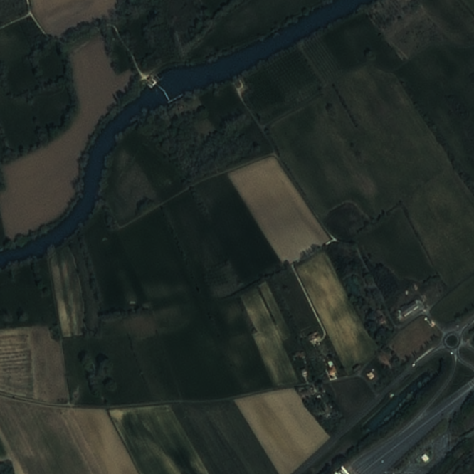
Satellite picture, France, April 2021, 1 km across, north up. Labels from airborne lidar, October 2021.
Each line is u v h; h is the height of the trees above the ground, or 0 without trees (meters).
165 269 0
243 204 0
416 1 7
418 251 0
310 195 0
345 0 0
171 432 0
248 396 0
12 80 0
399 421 6
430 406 0
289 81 22
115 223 11
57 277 0
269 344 0
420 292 0
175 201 0
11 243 18
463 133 0
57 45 14
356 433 0
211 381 0
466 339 0
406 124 0
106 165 10
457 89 0
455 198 0
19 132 0
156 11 17
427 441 8
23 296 0
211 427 0
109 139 0
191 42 10
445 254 0
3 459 0
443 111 0
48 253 24
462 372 0
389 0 10
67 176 0
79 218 0
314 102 0
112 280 0
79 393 0
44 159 0
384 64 0
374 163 0
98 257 0
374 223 13
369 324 14
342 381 0
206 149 18
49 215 0
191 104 16
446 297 0
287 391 0
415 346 0
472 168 0
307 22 0
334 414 12
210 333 0
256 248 0
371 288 17
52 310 0
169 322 0
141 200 0
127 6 15
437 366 0
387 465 0
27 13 9
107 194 0
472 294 0
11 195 0
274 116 10
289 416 0
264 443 0
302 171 0
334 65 22
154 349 0
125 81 0
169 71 0
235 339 0
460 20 0
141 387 0
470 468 26
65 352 0
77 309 0
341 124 0
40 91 14
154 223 0
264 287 0
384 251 0
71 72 16
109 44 27
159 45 9
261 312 0
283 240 0
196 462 0
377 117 0
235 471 0
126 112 0
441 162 0
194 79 0
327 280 0
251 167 0
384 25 12
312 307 0
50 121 0
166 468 0
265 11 0
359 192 0
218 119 0
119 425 0
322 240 0
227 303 0
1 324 0
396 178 0
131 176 0
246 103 13
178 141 19
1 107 0
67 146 0
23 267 13
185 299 0
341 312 0
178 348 0
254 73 11
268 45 0
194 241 0
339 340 0
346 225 0
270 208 0
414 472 0
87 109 0
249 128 0
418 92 0
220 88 12
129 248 0
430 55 0
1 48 0
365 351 0
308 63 13
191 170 17
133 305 0
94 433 0
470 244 0
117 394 0
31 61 23
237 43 0
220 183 0
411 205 0
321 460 0
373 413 0
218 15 10
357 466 0
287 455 0
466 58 0
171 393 0
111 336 0
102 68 0
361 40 0
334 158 0
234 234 0
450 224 0
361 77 0
